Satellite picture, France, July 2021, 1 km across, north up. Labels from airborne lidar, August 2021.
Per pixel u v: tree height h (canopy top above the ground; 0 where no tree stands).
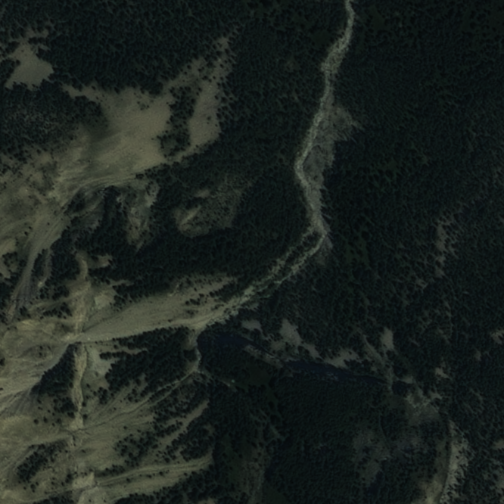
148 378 11
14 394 0
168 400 7
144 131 0
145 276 13
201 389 10
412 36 20
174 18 8
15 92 13
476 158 21
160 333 15
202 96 0
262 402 22
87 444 0
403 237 24
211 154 21
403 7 18
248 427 26
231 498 8
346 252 22
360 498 12
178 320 0
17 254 12
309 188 0
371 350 0
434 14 19
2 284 10
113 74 25
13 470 0
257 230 9
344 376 22
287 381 20
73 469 0
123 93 0
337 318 24
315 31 19
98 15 17
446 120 24
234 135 28
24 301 0
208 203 8
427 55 21
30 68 0
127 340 11
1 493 0
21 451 0
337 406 25
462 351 16
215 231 9
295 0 15
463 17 18
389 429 11
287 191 25
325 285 18
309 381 22
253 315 18
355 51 11
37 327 0
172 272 14
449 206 24
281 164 7
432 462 11
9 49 12
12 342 0
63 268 14
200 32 18
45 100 10
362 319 22
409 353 18
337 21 24
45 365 0
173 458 9
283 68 9
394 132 22
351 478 19
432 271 14
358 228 25
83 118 8
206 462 0
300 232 19
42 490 0
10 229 0
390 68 18
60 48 24
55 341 0
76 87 16
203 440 15
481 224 14
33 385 0
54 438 0
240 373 24
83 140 0
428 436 9
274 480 22
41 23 19
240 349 16
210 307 0
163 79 8
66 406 12
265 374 0
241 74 16
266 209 28
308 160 0
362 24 6
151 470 0
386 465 13
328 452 21
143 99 0
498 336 0
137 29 23
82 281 0
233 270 18
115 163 0
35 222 0
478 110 20
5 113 8
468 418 11
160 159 0
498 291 21
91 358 0
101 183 0
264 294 11
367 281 27
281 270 6
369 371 19
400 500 16
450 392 10
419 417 0
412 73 16
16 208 0
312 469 25
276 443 22
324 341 20
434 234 23
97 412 0
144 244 7
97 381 0
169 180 16
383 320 15
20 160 11
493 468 10
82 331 0
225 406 27
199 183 8
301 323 18
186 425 0
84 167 0
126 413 0
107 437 0
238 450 22
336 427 21
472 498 9
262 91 7
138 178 10
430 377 11
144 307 0
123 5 19
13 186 0
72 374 15
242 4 23
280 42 17
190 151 0
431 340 9
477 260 19
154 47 18
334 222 9
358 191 13
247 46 16
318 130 0
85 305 0
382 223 23
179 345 14
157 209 7
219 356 17
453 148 25
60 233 0
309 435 26
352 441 13
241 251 22
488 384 15
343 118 0
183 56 22
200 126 0
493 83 14
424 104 15
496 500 6
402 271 16
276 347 0
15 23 16
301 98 18
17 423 0
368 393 19
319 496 8
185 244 22
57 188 0
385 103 17
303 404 22
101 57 29
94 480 0
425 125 22
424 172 25
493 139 17
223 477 28
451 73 6
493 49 13
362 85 17
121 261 25
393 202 24
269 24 18
